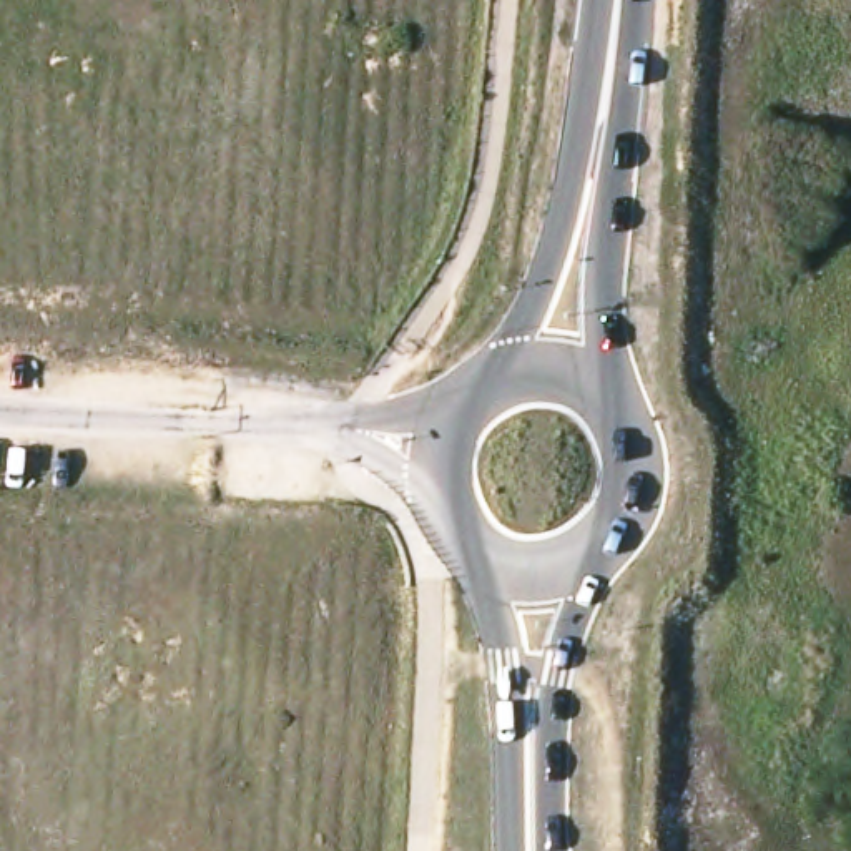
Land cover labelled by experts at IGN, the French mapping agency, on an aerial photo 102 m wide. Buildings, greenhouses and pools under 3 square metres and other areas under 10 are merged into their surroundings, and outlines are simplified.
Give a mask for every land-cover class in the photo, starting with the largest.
<instances>
[{"label":"herbaceous vegetation","instance_id":"1","mask_svg":"<svg viewBox=\"0 0 851 851\"><path fill-rule=\"evenodd\" d=\"M479 10H482V0H0V346L20 339L50 342L63 362H83L93 346H106L123 362L116 349L123 346V336L130 329H143L176 349H199L209 369L256 372L266 379L286 376L309 386L329 379L362 382L366 376H376L382 359L396 349L399 336L406 332L409 319L439 286L465 233V219L479 189L485 120L492 103V47H485L482 40H479ZM20 286H83L90 303L80 309H60L57 319H40L30 309H23L27 303ZM552 43L539 40L535 0H519L509 120L495 203L475 263L462 283L455 319L445 329V339L465 349L482 342L495 319L515 303L529 199L535 193L552 189L548 146L542 143V113ZM698 0H681V40L658 53L668 63V76L658 80L665 96L658 249L662 309L655 352L658 389L668 396V406L675 409L671 432L688 435L695 442L691 455L698 479L675 492V505L668 509V519L658 529L652 552L642 562H635L622 582H612L608 595L642 598V615L632 635L635 662L628 725L622 731L625 851H658L655 794L662 718V632L665 618L678 608L681 595H698L705 585L711 595H718V605L698 618L691 652L695 715L691 778L685 788L688 851H851V818H811V824H798L794 798L804 768L818 755L824 731L841 728L851 738V180L848 193L841 196L838 226L831 229V236L804 256L801 269L788 276L778 306H765L751 289V269L761 253V223L748 193L751 143L745 133V116L755 106L761 113L818 126L828 136H841L851 143V0H728L721 47L725 70L718 73L715 66H705L695 76ZM745 439L758 445V499L738 512L731 505V489ZM485 502L492 505L502 525L515 532H548L568 522L588 499L595 482V459L582 429L558 412L535 409L502 422L489 435L479 462ZM7 462L0 465V851H93L100 841V808H90L86 801H70V768L76 761L73 725L80 705V612L86 602V565H136L153 552H163L166 558L156 572L163 585H170L173 592L199 595V622H206L213 612H219V622L236 618L239 642H249V622H259V668L279 671L283 721L273 731V748L293 751L296 788L283 791V771H269V781L256 785V765L253 758H246L243 748V721H233V748H223V735L213 731L206 834L209 841H223V851H386L402 572L386 529L396 519L392 512L369 505L362 499H322L316 519H269L266 525H243L236 519H199L196 492L183 482L146 485L130 479H93L83 469L76 485H66L60 479V485L53 489L47 482L40 492V505L33 509L23 502L20 489H7Z\"/></svg>","mask_w":851,"mask_h":851},{"label":"impervious surface","instance_id":"2","mask_svg":"<svg viewBox=\"0 0 851 851\"><path fill-rule=\"evenodd\" d=\"M495 13H499V0H482V10H479V40H482L485 47H492V40H495ZM539 40L552 43L542 113V143L548 146L552 189L535 193L529 199L515 303L495 319L482 342L465 349L442 376L426 379L422 392L376 406H356L339 432H409L412 462L432 472V482L412 499L409 515L422 532L426 545L432 548V555L445 565L449 582L459 578V585L465 588V605L475 628L479 648L452 652V681L459 685L469 678H482L479 701L495 718V738L489 741V851H602L588 828L578 834L575 821L562 814V781L575 771V751L565 745V721L578 715L582 705L575 691L565 688L572 668L585 662V618L578 605H585L588 598L605 602L608 595L612 582H622L635 562H642L652 552L658 529L668 519V509L675 505V492L698 479L691 455L695 442L688 435L671 432L675 409L668 406V396L658 389L655 352L662 309L658 249L665 96L658 80L668 76V63L658 53L681 40V0H535ZM535 409L558 412L582 429L595 459V482L588 499L568 522L548 532H515L502 525L492 505L485 502L479 462L489 435L502 422Z\"/></svg>","mask_w":851,"mask_h":851},{"label":"pervious surface","instance_id":"3","mask_svg":"<svg viewBox=\"0 0 851 851\"><path fill-rule=\"evenodd\" d=\"M519 0H499V13H495V40H492V103L485 120L479 189L465 219V233L439 286L409 319L406 332L399 336L396 349L382 359L376 376H366L362 382L329 379L309 386L286 376L266 379L256 372L209 369L199 349H176L143 329H130L123 336V346L116 349L123 362L106 346H93L83 362H63L50 342L20 339L0 346V465L7 462V489H20L23 502L33 509L40 505V492L47 482L53 489L60 485V479L66 485H76L83 469L93 479H130L146 485L183 482L196 492L223 485V492L246 499H362L369 505L392 512L396 519L412 548L419 575V675L409 851H489V741L495 738V718L479 701L482 678H469L459 685L452 681V652L479 648L475 628L465 605V588L459 585V578L449 582L445 565L432 555V548L426 545L422 532L409 515L412 499L432 482V472L412 462L409 432H339L356 406H376L422 392L426 379L442 376L465 349L445 339V329L455 319L462 283L475 263L495 203L509 120ZM728 0H698L695 76L705 66H715L718 73L725 70L721 47ZM585 618V662L572 668L565 688L575 691L582 705L578 715L565 721V745L575 751V771L562 781V814L575 821L578 834L588 828L602 851H625L622 731L628 725L635 662L632 635L642 615V598L608 595L605 602L588 598L585 605H578Z\"/></svg>","mask_w":851,"mask_h":851},{"label":"bare soil","instance_id":"4","mask_svg":"<svg viewBox=\"0 0 851 851\"><path fill-rule=\"evenodd\" d=\"M27 303L23 309H30L40 319H57L60 309H80L90 303L83 286H20ZM199 519H236L243 525H266L269 519H316L322 499H246L223 492V485L196 492ZM402 572L386 851H409L419 675V575L412 548L396 519L386 529ZM166 558L163 552H153L136 565H86V602L80 612V705L73 725L76 761L70 768V801H86L90 808H100V841L93 851H223V841H209L206 834L213 731L223 735V748H233V721H243V748L246 758H253L256 765V785L269 781V771H283V791L296 788L293 751L273 748V731L283 721L279 671L259 668V622H249V642H239L236 618L219 622V612H213L206 622H199V595L173 592L170 585H163L156 572ZM718 605V595H711L705 585L698 595H681L678 608L665 618L662 632V718L655 794L658 851H688L685 788L691 778L695 715L691 652L698 618Z\"/></svg>","mask_w":851,"mask_h":851},{"label":"deciduous trees","instance_id":"5","mask_svg":"<svg viewBox=\"0 0 851 851\"><path fill-rule=\"evenodd\" d=\"M745 133L751 143L748 193L761 223V253L751 269V289L765 306H778L788 276L801 269L804 256L831 236V229L838 226L841 196L848 193L851 180V143L841 136H828L818 126L761 113L755 106L745 116Z\"/></svg>","mask_w":851,"mask_h":851},{"label":"brushwood","instance_id":"6","mask_svg":"<svg viewBox=\"0 0 851 851\"><path fill-rule=\"evenodd\" d=\"M758 499V445L745 439L731 489V505L738 512ZM811 818H851V738L841 728L824 731L818 755L804 768L794 798L798 824H811Z\"/></svg>","mask_w":851,"mask_h":851}]
</instances>
